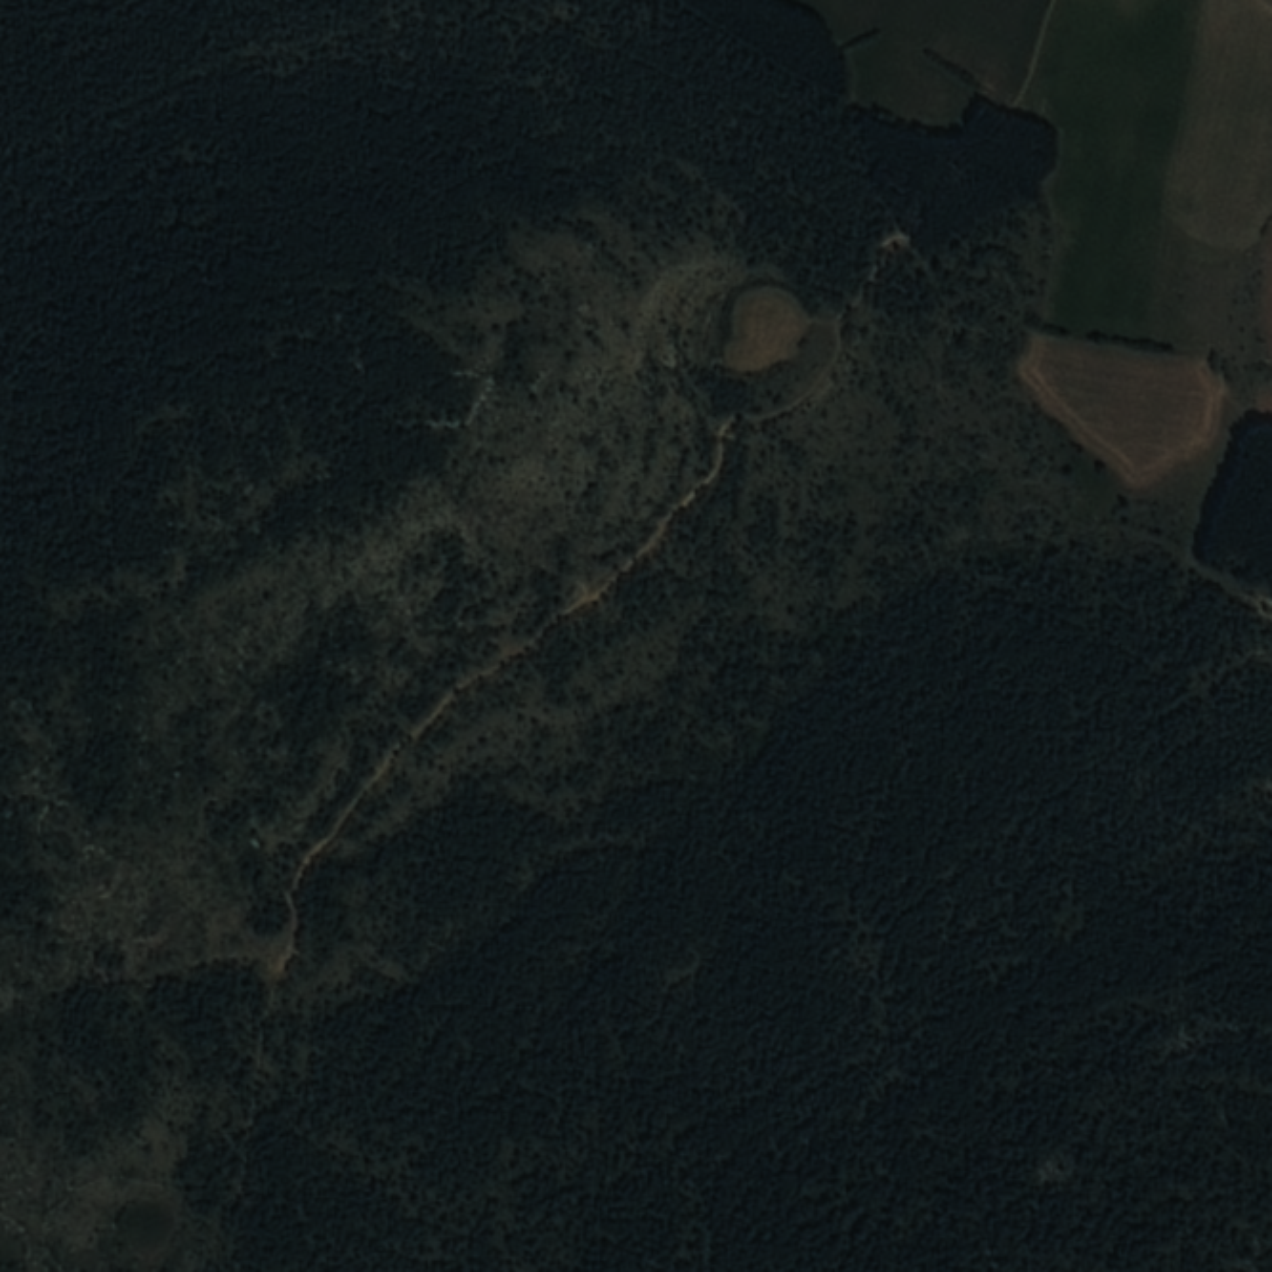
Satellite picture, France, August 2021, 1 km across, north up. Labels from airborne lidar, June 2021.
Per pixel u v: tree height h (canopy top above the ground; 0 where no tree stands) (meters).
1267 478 21
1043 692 7
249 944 0
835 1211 8
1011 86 0
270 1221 12
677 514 7
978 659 8
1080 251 0
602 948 8
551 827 6
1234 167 0
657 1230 9
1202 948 10
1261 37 0
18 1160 0
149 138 8
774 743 9
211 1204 9
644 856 12
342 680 9
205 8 10
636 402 0
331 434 6
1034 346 0
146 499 10
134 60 8
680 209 7
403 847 8
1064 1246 9
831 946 7
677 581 7
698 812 11
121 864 0
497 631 7
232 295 11
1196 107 0
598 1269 8
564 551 5
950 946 6
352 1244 9
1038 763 8
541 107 8
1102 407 0
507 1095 9
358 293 8
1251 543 21
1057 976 8
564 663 6
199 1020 10
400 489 6
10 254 11
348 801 8
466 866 8
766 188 8
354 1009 10
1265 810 7
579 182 7
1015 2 0
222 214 8
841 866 6
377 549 0
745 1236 11
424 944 6
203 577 6
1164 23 0
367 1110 9
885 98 0
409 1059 8
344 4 7
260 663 0
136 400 8
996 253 8
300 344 10
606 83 8
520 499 0
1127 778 7
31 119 7
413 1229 9
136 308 10
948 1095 9
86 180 11
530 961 7
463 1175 8
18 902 7
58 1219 0
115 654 8
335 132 11
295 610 0
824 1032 11
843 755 7
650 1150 6
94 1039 7
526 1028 8
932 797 8
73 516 9
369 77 9
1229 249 0
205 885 0
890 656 9
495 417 0
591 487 8
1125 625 8
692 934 6
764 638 7
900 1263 11
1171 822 6
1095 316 0
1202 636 9
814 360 0
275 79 9
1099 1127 7
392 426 7
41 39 8
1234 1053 9
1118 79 0
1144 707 11
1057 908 7
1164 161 0
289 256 9
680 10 10
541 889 8
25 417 10
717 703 7
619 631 7
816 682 11
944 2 0
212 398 8
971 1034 8
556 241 0
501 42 7
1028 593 8
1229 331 0
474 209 7
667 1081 6
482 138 10
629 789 7
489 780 8
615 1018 7
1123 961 8
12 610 10
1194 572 7
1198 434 0
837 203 8
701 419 6
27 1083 0
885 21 0
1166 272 0
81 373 11
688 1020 9
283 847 7
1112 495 0
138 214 11
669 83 9
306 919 8
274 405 8
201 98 8
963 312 7
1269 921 10
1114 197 0
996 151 17
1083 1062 7
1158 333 0
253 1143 6
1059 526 8
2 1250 0
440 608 6
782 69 11
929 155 16
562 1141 7
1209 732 8
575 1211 7
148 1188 0
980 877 7
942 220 14
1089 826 10
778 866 10
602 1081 8
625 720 7
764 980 9
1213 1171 7
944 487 7
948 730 12
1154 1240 9
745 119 8
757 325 0
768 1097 7
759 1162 9
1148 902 7
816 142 9
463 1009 10
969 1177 9
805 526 6
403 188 12
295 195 10
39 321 8
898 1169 11
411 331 7
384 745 7
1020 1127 10
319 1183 7
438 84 9
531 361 0
